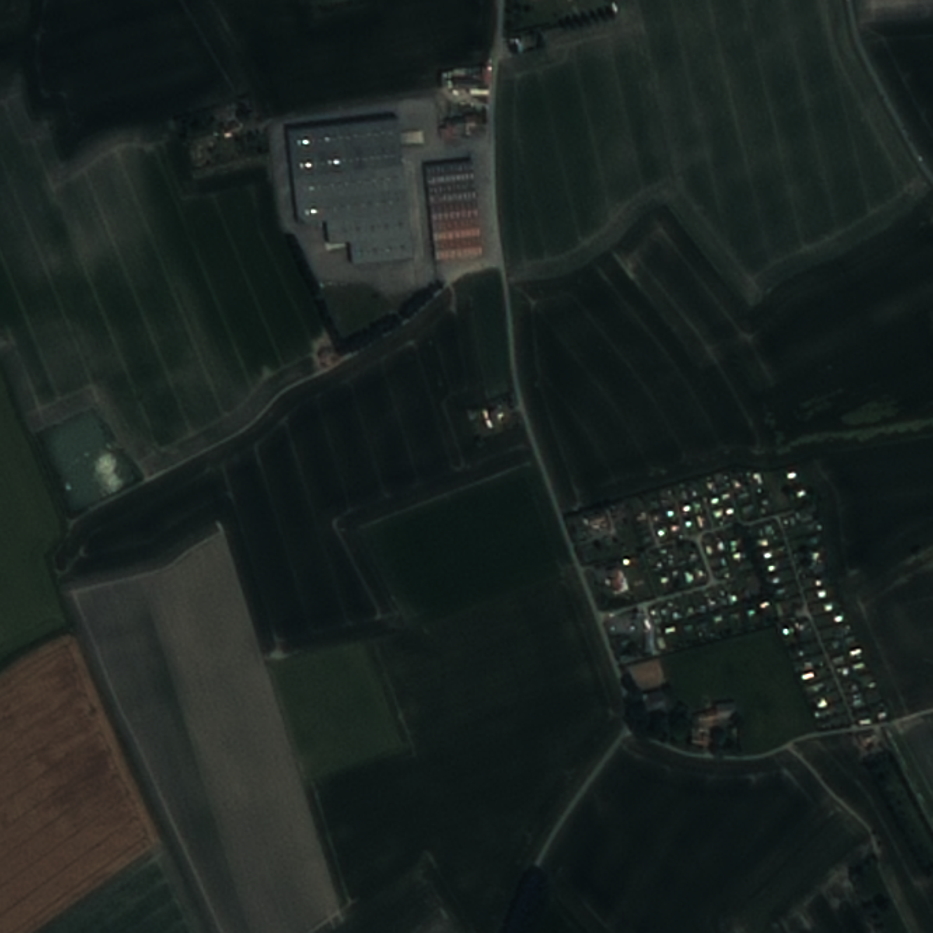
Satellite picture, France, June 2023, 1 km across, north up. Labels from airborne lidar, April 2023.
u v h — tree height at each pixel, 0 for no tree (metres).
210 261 0
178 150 0
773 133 0
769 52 0
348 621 0
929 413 0
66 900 0
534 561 0
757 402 0
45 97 0
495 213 0
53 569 0
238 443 0
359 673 0
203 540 0
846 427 0
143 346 0
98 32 0
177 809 0
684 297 0
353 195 0
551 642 0
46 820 0
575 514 6
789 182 0
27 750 0
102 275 0
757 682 0
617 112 0
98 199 0
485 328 0
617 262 0
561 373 0
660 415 0
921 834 0
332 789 0
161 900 0
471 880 0
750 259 0
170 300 0
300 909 0
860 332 0
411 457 0
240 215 0
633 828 0
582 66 0
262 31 0
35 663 0
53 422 0
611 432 0
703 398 0
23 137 0
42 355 0
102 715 0
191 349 0
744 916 0
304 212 0
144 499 0
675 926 0
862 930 0
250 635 0
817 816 0
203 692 0
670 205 0
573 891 0
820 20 0
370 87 0
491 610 0
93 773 0
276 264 0
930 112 0
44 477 0
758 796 0
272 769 0
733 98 0
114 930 0
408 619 0
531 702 0
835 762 0
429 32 0
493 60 0
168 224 0
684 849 0
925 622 0
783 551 0
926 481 0
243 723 0
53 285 0
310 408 0
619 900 0
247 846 0
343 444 0
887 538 0
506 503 0
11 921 0
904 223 0
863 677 0
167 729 0
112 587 0
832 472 0
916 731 0
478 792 0
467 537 0
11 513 0
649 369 0
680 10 0
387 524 0
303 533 0
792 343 0
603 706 0
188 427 0
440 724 0
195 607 0
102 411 0
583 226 0
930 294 0
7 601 0
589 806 0
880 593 0
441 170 0
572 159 0
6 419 0
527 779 0
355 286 0
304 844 0
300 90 0
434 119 0
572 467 0
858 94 0
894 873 0
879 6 0
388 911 0
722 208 0
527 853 0
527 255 0
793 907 0
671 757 0
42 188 0
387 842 0
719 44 0
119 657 0
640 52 0
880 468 0
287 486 0
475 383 0
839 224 0
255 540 0
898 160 0
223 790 0
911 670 0
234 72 0
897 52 0
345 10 0
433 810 0
